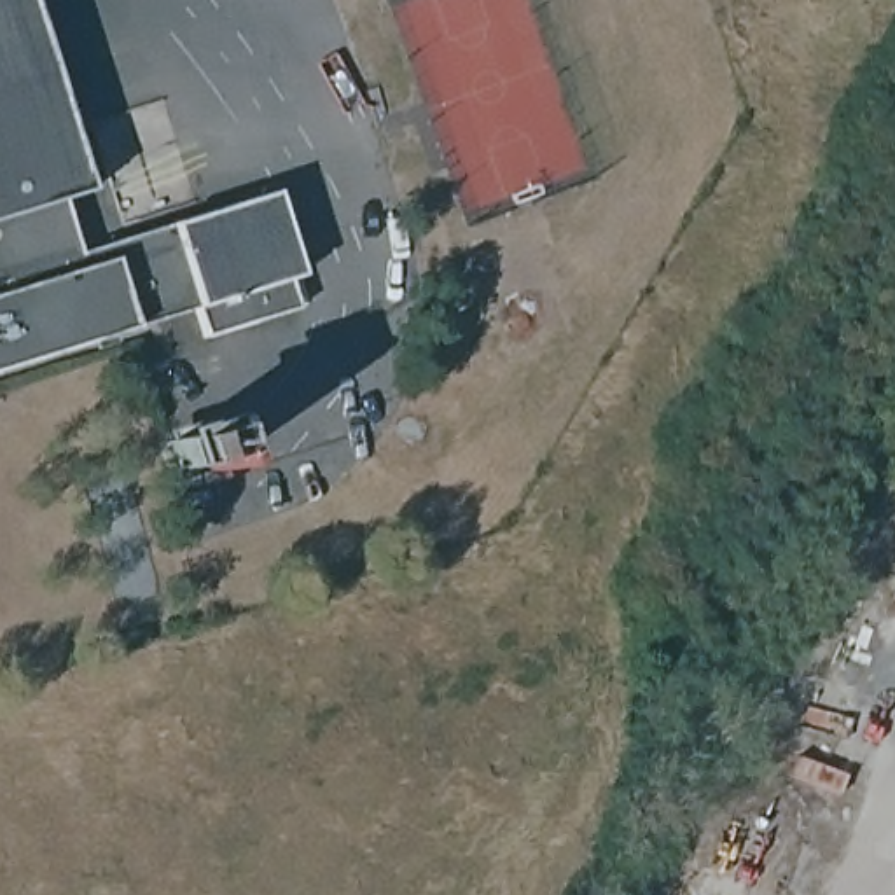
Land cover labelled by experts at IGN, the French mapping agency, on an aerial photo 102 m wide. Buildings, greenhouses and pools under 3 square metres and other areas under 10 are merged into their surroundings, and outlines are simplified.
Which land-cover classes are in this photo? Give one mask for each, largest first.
<instances>
[{"label":"herbaceous vegetation","instance_id":"1","mask_svg":"<svg viewBox=\"0 0 895 895\"><path fill-rule=\"evenodd\" d=\"M406 0H343L339 24L346 49L353 52L367 84H385V94L395 108H413L420 98L416 70L409 63V49H416V38L409 14L402 10ZM535 10L545 59L559 84L566 122L580 143V164L587 171H598L601 178L584 189L556 196L538 213H503L486 224H468L465 210L479 203L454 178L430 182V164L420 147V136L413 129H399L395 136H388L385 150L395 182V199L402 203L416 196L427 213H437L434 231H427L423 238H409L406 259L416 262L420 273H430V280L454 276L465 287V311L451 325L458 339L437 346V364L451 374L437 392H423L416 399L399 402L385 399V420L378 423V444L371 461L353 465L325 493H315L276 517L241 528H206L203 538H196L185 549L154 552L157 573L178 577L185 570L196 587H217L220 598L234 605V619L217 629L157 640H150L140 650H129L119 664H101L94 678H87L70 661L80 626L94 629L101 622L105 608L115 601L112 584L119 577H112L105 563H87L91 545L77 542V521L87 510L84 493L70 486L52 507H38L35 500L21 496L24 479L45 454H91L122 441L129 451L140 454L143 465H154L157 458V451L171 441L175 427V413H164L157 427H150V416H133L122 406L112 409L108 399H98V381L105 367L98 360H87L77 371L24 385L0 399V664L21 668L28 682H42V692L35 699L0 692V895H563L570 878L584 864H591L594 836L605 811L601 794L615 783L619 759L626 752L629 671L622 657V619L612 594V570L633 528H640L650 514L657 472L654 427L668 399L682 395L685 385H692V360L703 357L706 343L720 329L724 311H731L738 294L762 283L773 262L790 259L787 238L794 231L801 199L811 192V175L822 164L829 119L843 98V87L853 80V70L860 66L867 45L881 42L895 17V0H528ZM413 524L434 535L427 566H441V591L406 601L381 598V587L364 573V545L374 531H402ZM290 545L297 556L315 559L329 587L325 615L308 619L304 626H290V619H283L273 608V601H262L266 573Z\"/></svg>","mask_w":895,"mask_h":895},{"label":"deciduous trees","instance_id":"2","mask_svg":"<svg viewBox=\"0 0 895 895\"><path fill-rule=\"evenodd\" d=\"M790 259L773 262L762 283L738 294L731 311H724L720 329L706 343L703 357L692 360V385H685L682 395L668 399L654 427L657 472L650 514L640 528H633L612 570V594L622 619V657L629 671L626 752L619 759L615 783L601 794L605 811L594 836L591 864H584L570 878L563 895H650V881H682L685 860L699 846L706 818L720 804L755 790L762 766L773 759L769 689L780 675L797 671L801 654L811 650L808 636H815L836 612L857 615V605L871 598L874 580L853 573L850 563L853 535L860 531V496H867L871 489L895 493V17L881 42L867 45L860 66L853 70V80L843 87V98L829 119L822 164L811 175V192L801 199L794 231L787 238ZM395 220L409 238H423L427 231H434L437 213H427L416 196L402 203ZM402 297L409 301V315L392 325V392L385 399L399 402L416 399L423 392H437L451 374L437 364V346L458 339L451 325L465 311V287L454 276L430 280V273H420L416 283L402 290ZM98 399H108L112 409L122 406L133 416H150V427H157L164 413L140 364H122L105 367L98 381ZM98 479L112 482L115 489L140 486L143 528L154 552L185 549L196 538H203L206 528L192 500L185 496V482L171 472V461L157 458L154 465H143L140 454L129 451L122 441L91 454H45L24 479L21 496L35 500L38 507H52L70 486L84 493V486ZM112 521L87 510L77 521V542L91 545L112 542ZM434 535L413 524L402 531H374L364 545V573L381 587V598L406 601L441 591V566H427ZM262 601H273V608L283 619H290V626H304L308 619L325 615L329 587L315 559L297 556L290 545L266 573ZM150 601L161 605L157 640L217 629L234 619V605L220 598L217 587H196L185 570L178 577L157 573L150 594ZM129 650L101 622L94 629L80 626L70 661L87 678H94L101 664H119ZM0 692L35 699L42 692V682H28L21 668L0 664Z\"/></svg>","mask_w":895,"mask_h":895},{"label":"impervious surface","instance_id":"3","mask_svg":"<svg viewBox=\"0 0 895 895\"><path fill-rule=\"evenodd\" d=\"M98 161L94 168H87L94 196L77 203L87 245L143 234L248 196L287 189L294 196L301 231L311 252V276L304 280V315L224 339H203L196 318L189 315L171 332H143L122 343V364H140L164 413H175V427L227 420L238 434L241 454H262V468H192L185 458H178L171 441L157 451V458L171 461V472L185 482V496L192 500L206 528H241L276 517L315 493H325L353 465L371 461L378 444V423L385 420V399L392 392V325L409 315V301L402 297V290L416 283L420 273L416 262L406 259L409 238L395 220L402 203L395 199V182L385 150L388 136H395L399 129H413L420 136V147L430 164V182L454 178L479 203L465 210L468 224H486L503 213H538L556 196L584 189L601 178L598 171H587L580 164V143L566 122L559 84L545 59L535 10L528 0H406L402 10L409 14L416 38V49H409V63L416 70L420 98L413 108H395L385 94V84H367L353 52L346 49L339 24L343 0H45ZM87 510L112 521V542L91 545L87 563H105L112 577H119L112 584L115 601L105 608L101 622L129 650H140L150 640H157L161 605L150 601V594L157 573L154 552L143 528L140 486L115 489L112 482L98 479L84 486V493ZM864 804L850 846L825 885V895H895V717L874 759L860 769Z\"/></svg>","mask_w":895,"mask_h":895},{"label":"building","instance_id":"4","mask_svg":"<svg viewBox=\"0 0 895 895\"><path fill-rule=\"evenodd\" d=\"M98 161L45 0H0V378L49 364L66 353L122 343L143 332H171L189 315L196 318L203 339H224L304 315V280L311 276V252L301 231L294 196L287 189L248 196L143 234L87 245L77 203L94 196L87 168H94ZM178 458H185L192 468H262V454H241L238 434L227 420L175 427L171 441Z\"/></svg>","mask_w":895,"mask_h":895},{"label":"pervious surface","instance_id":"5","mask_svg":"<svg viewBox=\"0 0 895 895\"><path fill-rule=\"evenodd\" d=\"M850 563L853 573L874 580L871 598L857 605V615L836 612L815 636H808L811 650L801 654L797 671L780 675L769 689L773 759L762 766L755 790L720 804L706 818L699 846L685 860L682 881H650V895H825V885L850 846L864 804L860 769L874 759L895 717V493L871 489L867 496H860V531L853 535Z\"/></svg>","mask_w":895,"mask_h":895},{"label":"brushwood","instance_id":"6","mask_svg":"<svg viewBox=\"0 0 895 895\"><path fill-rule=\"evenodd\" d=\"M87 360H98L105 367L122 364V343L66 353L49 364L0 378V399L24 385L77 371Z\"/></svg>","mask_w":895,"mask_h":895}]
</instances>
